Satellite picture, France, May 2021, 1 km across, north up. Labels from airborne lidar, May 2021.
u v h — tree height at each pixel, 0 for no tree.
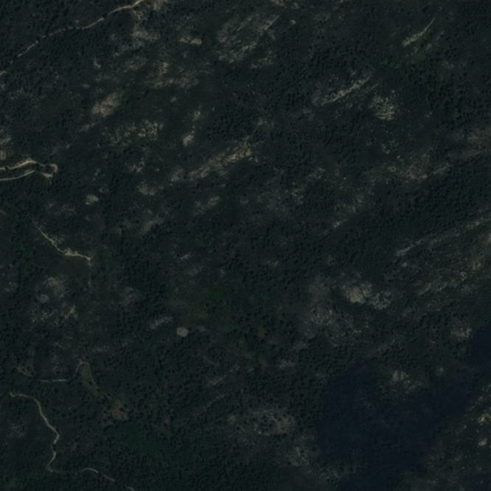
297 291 11
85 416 17
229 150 0
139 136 0
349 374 11
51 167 15
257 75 10
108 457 17
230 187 8
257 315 15
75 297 18
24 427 12
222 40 0
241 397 15
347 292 0
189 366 15
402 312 6
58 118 7
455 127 13
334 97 6
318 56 11
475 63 13
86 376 0
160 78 0
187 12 8
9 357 19
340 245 9
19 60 14
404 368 10
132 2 12
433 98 20
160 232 16
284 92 15
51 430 12
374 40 7
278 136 17
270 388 16
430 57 16
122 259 10
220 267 12
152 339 21
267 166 10
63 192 16
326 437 6
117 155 9
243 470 15
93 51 9
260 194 7
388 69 7
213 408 18
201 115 0
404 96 6
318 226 12
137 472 12
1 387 19
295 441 27
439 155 8
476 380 8
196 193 12
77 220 8
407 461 7
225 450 10
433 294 6
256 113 10
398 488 20
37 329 7
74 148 12
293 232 11
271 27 10
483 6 8
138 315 15
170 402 17
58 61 12
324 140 11
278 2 0
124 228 14
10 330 20
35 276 16
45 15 14
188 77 0
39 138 6
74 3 11
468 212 11
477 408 7
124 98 12
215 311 13
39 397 7
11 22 11
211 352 14
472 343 14
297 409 20
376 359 16
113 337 11
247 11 8
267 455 11
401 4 8
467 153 0
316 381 16
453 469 18
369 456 6
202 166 0
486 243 0
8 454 13
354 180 6
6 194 17
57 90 12
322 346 16
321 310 0
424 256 12
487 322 12
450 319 14
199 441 17
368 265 8
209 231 10
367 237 8
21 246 18
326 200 11
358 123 14
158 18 13
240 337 11
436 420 8
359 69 13
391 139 7
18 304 15
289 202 10
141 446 23
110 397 15
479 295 5
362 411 22
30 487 9
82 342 12
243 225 7
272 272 14
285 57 12
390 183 6
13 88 11
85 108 14
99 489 13
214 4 9
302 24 6
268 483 17
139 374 16
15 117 11
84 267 0
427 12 19
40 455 13
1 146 0
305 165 10
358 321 9
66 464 7
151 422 15
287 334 17
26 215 17
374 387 15
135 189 9
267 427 15
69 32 12
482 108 13
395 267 6
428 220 7
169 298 11
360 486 8
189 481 7
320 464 15
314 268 13
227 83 11
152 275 11
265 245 7
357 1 6
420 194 11
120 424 17
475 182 7
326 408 13
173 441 17
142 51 13
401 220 8
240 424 8
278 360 13
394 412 21
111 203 18
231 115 11
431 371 13
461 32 13
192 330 15
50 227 7
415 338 14
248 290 7
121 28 14
